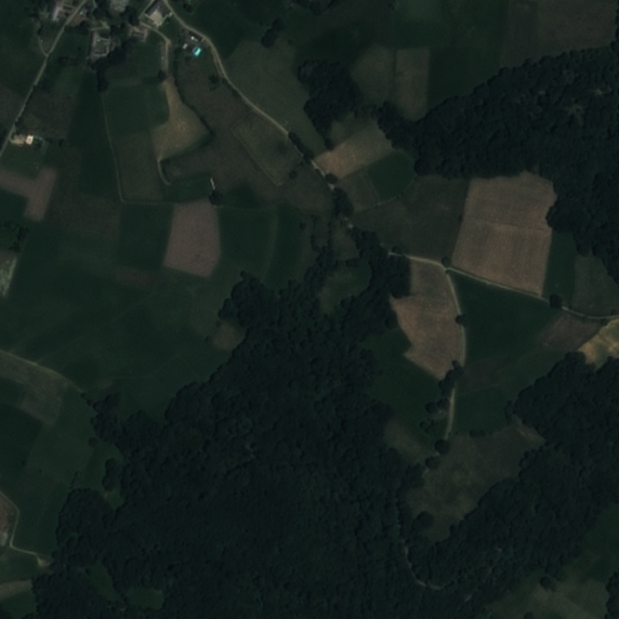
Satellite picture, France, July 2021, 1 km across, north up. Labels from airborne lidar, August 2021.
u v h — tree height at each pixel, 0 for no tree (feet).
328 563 85
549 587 62
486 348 0
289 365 83
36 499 0
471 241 0
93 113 0
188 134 0
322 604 53
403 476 57
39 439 0
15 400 0
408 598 96
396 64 0
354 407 78
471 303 0
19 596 0
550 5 0
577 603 0
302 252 0
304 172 0
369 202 0
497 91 88
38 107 0
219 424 67
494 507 79
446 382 54
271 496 74
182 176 0
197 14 0
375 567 89
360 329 85
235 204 0
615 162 68
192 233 0
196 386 47
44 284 0
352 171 0
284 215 0
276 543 79
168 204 0
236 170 0
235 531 91
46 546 0
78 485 40
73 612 81
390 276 61
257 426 71
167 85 0
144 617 49
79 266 0
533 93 80
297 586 90
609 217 40
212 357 0
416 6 0
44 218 0
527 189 0
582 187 43
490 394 0
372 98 0
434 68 0
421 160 39
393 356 0
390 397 0
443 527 0
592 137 65
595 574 0
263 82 0
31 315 0
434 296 0
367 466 90
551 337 0
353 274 0
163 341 0
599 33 0
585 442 111
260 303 70
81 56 0
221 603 68
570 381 87
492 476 0
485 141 112
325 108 83
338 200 67
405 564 67
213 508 66
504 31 0
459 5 0
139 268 0
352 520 45
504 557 42
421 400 0
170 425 29
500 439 0
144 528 64
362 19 0
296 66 0
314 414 90
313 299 64
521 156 81
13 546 0
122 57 43
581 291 0
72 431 0
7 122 0
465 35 0
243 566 106
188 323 0
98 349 0
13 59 0
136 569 99
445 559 89
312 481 80
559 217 59
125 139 0
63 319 0
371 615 90
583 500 86
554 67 88
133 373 0
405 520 83
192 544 68
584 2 0
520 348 0
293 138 45
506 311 0
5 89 0
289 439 90
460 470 0
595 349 0
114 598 0
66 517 49
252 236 0
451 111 83
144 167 0
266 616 69
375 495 101
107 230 0
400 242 0
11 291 0
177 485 102
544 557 65
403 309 0
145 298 0
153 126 0
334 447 83
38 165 0
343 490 98
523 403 56
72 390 0
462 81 0
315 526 79
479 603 84
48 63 18
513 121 119
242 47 0
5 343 0
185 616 77
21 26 0
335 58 0
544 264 0
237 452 89
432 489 0
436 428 45
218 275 0
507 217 0
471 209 0
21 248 24
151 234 0
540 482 44
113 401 58
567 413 66
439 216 0
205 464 94
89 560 81
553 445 77
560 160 81
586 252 74
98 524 73
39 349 0
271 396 88
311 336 74
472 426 0
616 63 92
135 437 91
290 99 0
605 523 0
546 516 94
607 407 89
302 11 0
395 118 71
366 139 0
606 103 89
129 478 83
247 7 0
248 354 77
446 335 0
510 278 0
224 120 0
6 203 0
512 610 0
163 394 0
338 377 22
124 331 0
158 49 0
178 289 0
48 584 70
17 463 0
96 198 0
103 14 78
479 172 77
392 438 0
